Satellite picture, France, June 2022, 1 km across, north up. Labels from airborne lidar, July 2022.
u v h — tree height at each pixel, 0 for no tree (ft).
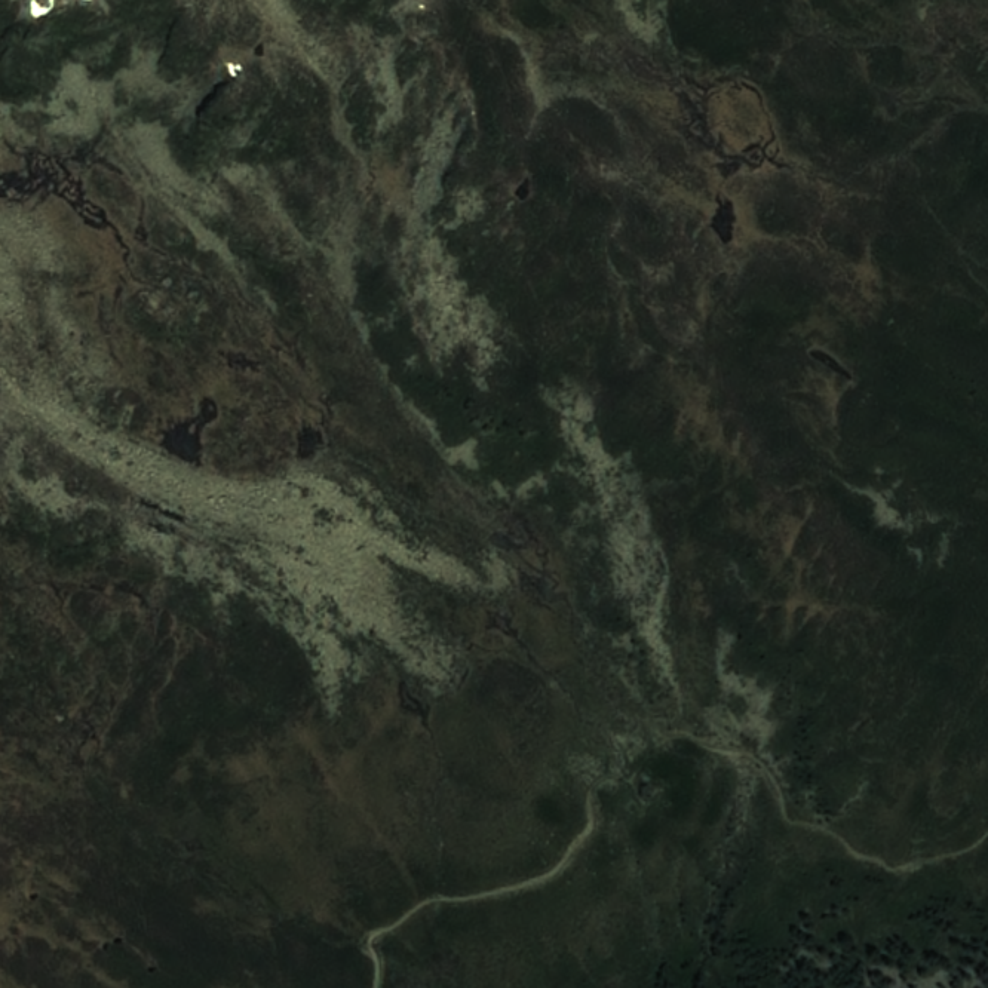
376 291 0
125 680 0
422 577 0
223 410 0
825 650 0
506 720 0
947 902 30
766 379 0
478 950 0
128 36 0
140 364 0
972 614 0
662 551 0
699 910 0
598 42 0
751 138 0
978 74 0
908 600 0
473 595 0
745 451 0
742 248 0
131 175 0
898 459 0
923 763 0
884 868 0
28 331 0
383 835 0
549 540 0
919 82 0
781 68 0
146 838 0
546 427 0
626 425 0
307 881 0
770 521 0
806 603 0
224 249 0
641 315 0
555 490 0
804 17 0
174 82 0
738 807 0
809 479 0
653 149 0
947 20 0
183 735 0
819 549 0
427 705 0
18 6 0
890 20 0
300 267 0
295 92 0
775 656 0
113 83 0
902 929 0
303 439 0
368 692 0
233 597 0
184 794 0
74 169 0
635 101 0
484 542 0
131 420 0
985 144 0
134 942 0
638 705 0
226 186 0
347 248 0
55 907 0
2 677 0
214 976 0
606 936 0
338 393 0
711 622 0
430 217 0
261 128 0
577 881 0
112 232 0
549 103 0
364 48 0
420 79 0
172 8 0
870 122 0
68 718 0
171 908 0
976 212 0
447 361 0
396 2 0
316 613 0
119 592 0
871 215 0
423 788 0
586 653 0
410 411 0
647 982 0
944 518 0
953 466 0
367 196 0
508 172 0
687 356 0
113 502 0
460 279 0
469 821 0
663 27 0
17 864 0
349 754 0
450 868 0
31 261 0
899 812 0
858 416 0
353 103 0
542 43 0
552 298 0
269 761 0
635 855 0
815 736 0
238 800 0
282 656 0
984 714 0
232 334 0
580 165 0
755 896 0
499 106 0
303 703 0
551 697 0
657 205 0
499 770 0
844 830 0
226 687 0
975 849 0
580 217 0
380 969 0
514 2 0
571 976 0
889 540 0
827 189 0
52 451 0
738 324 0
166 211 0
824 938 0
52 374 0
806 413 0
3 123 0
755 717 0
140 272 0
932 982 0
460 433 0
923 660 0
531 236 0
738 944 46
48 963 0
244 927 0
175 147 0
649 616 0
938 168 0
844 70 0
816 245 0
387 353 0
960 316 0
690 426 0
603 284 0
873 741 0
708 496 0
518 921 0
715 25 0
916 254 0
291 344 0
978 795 0
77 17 0
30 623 0
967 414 0
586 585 0
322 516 0
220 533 0
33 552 0
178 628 0
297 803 0
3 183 0
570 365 0
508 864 0
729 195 0
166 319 0
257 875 0
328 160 0
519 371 0
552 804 0
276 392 0
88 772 0
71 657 0
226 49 0
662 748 0
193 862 0
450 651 0
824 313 0
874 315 0
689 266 0
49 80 0
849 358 0
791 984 36
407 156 0
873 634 0
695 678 0
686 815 0
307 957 0
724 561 0
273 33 0
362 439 0
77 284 0
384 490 0
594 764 0
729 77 0
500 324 0
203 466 0
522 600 0
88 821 0
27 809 0
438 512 0
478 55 0
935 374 0
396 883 0
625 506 0
